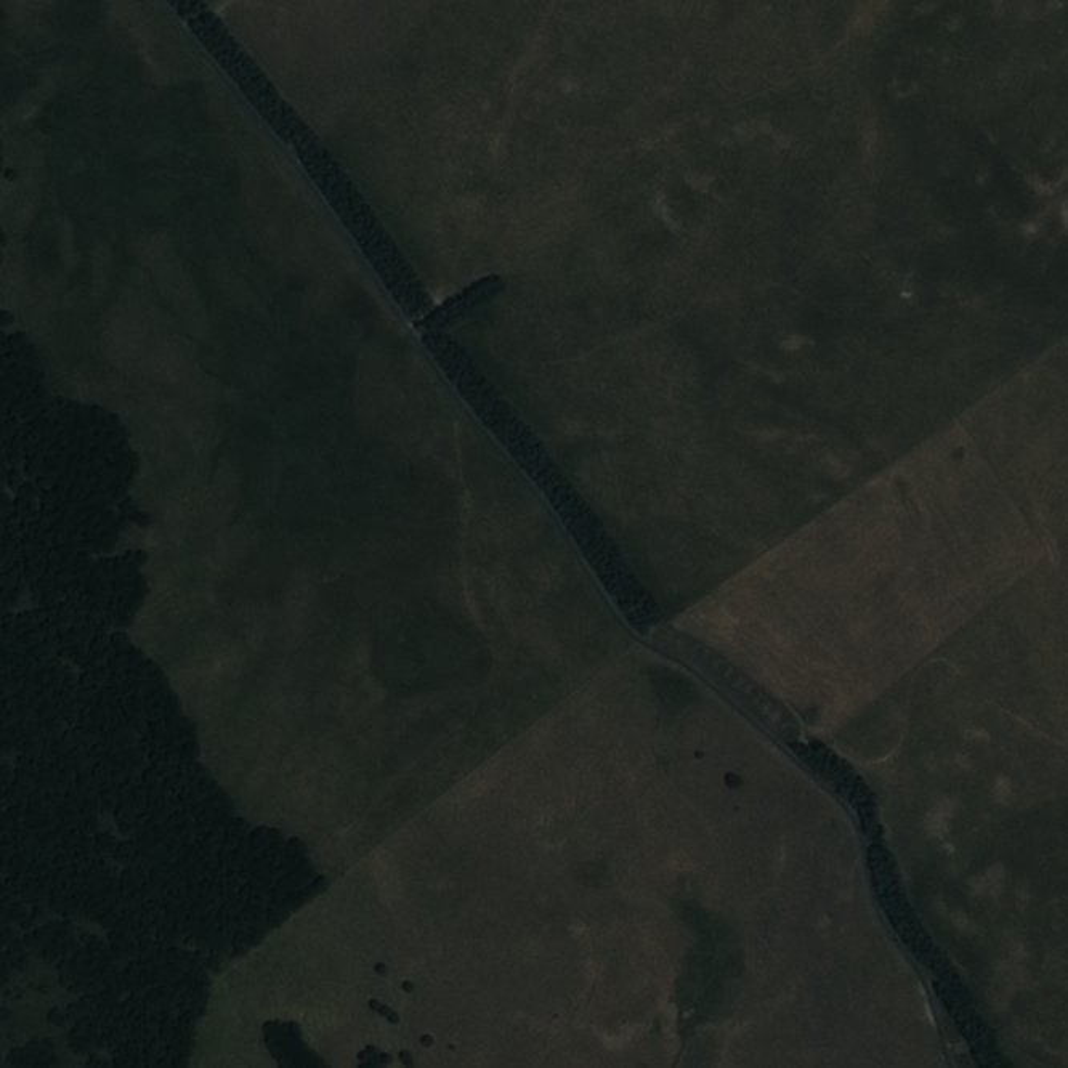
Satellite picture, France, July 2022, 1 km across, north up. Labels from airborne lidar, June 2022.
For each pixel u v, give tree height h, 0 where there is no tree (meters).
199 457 0
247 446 0
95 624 12
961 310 0
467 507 0
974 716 0
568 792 0
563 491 18
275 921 11
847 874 0
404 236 0
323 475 0
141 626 0
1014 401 0
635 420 0
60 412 14
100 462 14
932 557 0
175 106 0
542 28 0
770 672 0
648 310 0
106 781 11
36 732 11
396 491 0
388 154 0
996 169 0
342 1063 0
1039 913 0
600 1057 0
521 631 0
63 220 0
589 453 0
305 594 0
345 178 18
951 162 0
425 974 0
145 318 0
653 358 0
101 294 0
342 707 0
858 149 0
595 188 0
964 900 0
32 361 12
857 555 0
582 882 0
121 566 13
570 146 0
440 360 11
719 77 0
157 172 0
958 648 0
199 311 0
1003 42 0
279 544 0
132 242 0
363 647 0
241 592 0
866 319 0
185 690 0
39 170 0
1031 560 0
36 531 13
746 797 0
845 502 0
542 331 0
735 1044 0
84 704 9
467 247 0
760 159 0
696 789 0
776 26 0
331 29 0
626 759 0
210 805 11
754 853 0
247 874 11
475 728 0
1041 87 0
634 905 0
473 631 0
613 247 0
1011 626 0
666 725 0
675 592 0
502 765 0
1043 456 0
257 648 0
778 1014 0
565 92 0
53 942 7
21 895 10
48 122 0
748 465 0
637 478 0
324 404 0
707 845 0
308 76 0
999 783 0
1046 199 0
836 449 0
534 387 0
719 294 0
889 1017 0
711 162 0
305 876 14
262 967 0
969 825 0
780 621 0
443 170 0
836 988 0
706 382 0
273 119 13
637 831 0
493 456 0
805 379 0
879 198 0
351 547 0
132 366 0
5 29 0
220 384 0
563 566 0
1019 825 0
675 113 0
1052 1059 0
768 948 0
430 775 0
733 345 0
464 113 0
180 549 0
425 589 0
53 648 8
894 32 0
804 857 0
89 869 10
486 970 0
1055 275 0
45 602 11
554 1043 0
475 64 0
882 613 0
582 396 0
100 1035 6
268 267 0
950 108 0
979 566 0
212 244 0
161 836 14
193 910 12
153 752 12
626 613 8
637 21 0
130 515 9
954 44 0
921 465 0
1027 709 0
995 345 0
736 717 0
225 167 0
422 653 0
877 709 0
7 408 11
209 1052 0
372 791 0
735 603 0
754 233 0
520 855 0
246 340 0
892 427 0
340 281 0
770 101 0
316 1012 0
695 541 0
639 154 0
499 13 0
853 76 0
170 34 0
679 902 0
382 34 0
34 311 0
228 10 0
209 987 9
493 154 0
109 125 0
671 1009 0
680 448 0
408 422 0
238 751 0
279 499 0
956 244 0
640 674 0
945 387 0
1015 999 0
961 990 20
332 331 0
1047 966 0
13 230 0
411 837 0
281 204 0
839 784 14
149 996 12
